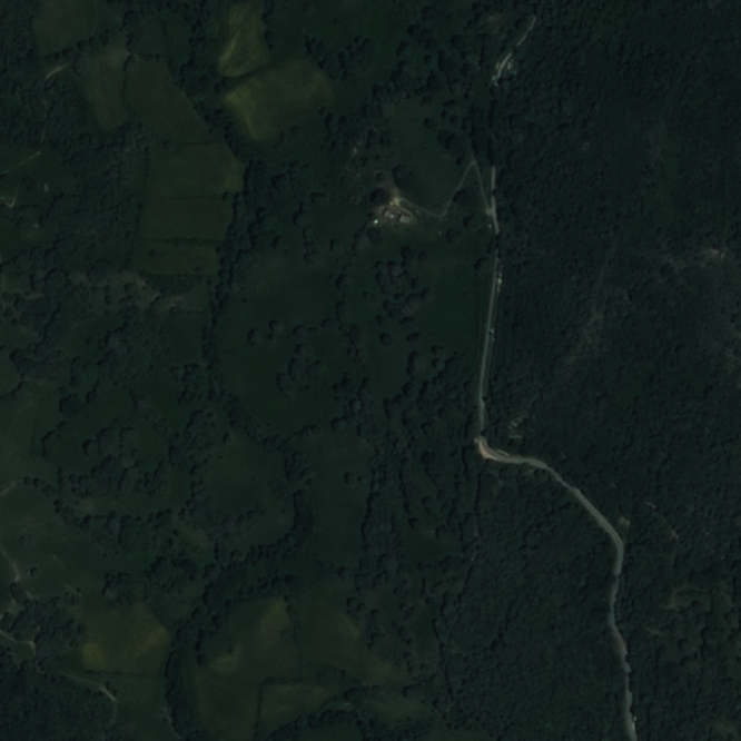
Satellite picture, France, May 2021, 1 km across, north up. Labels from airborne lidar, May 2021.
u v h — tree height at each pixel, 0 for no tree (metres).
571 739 12
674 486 11
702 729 8
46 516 0
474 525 10
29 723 18
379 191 9
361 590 13
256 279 0
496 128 14
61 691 16
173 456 11
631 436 9
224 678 0
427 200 0
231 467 0
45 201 0
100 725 19
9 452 0
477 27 10
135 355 13
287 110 0
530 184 7
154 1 23
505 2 16
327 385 0
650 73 10
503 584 12
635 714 15
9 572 0
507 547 12
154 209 0
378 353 0
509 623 13
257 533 0
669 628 11
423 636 0
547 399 10
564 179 6
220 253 15
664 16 7
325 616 0
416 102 0
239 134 8
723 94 8
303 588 19
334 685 0
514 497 11
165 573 15
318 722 17
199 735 15
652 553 20
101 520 12
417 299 16
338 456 0
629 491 10
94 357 0
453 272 0
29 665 15
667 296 8
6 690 17
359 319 0
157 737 0
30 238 0
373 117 17
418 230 0
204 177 0
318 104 0
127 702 0
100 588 0
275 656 0
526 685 14
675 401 7
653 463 14
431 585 7
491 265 8
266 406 0
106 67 0
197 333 0
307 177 13
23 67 18
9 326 0
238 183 0
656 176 6
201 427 15
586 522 7
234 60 0
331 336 0
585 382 6
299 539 15
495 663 11
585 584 13
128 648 0
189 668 0
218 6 17
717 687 14
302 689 0
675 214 0
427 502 12
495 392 10
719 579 16
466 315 0
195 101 6
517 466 11
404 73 19
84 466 0
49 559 0
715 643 15
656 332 6
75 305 13
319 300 0
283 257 0
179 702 18
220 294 16
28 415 0
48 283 16
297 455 16
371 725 11
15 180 0
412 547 0
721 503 5
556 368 7
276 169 0
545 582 16
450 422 6
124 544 13
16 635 6
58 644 14
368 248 0
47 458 10
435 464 13
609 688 13
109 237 15
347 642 0
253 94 0
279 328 13
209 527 15
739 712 10
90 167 9
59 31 0
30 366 13
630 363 5
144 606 0
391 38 0
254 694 0
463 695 14
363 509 0
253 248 9
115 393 0
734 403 9
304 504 20
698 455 14
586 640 16
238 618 0
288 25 0
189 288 5
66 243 13
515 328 15
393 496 16
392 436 10
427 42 15
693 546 7
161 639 0
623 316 7
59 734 19
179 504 0
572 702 13
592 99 8
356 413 13
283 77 0
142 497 0
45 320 7
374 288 0
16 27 11
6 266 13
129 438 11
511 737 15
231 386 0
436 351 14
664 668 12
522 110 13
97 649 0
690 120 5
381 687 7
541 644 12
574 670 16
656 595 13
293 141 10
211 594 19
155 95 0
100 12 0
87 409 16
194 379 19
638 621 12
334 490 0
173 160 0
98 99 0
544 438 11
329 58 22
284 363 0
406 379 0
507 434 14
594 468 12
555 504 12
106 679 0
